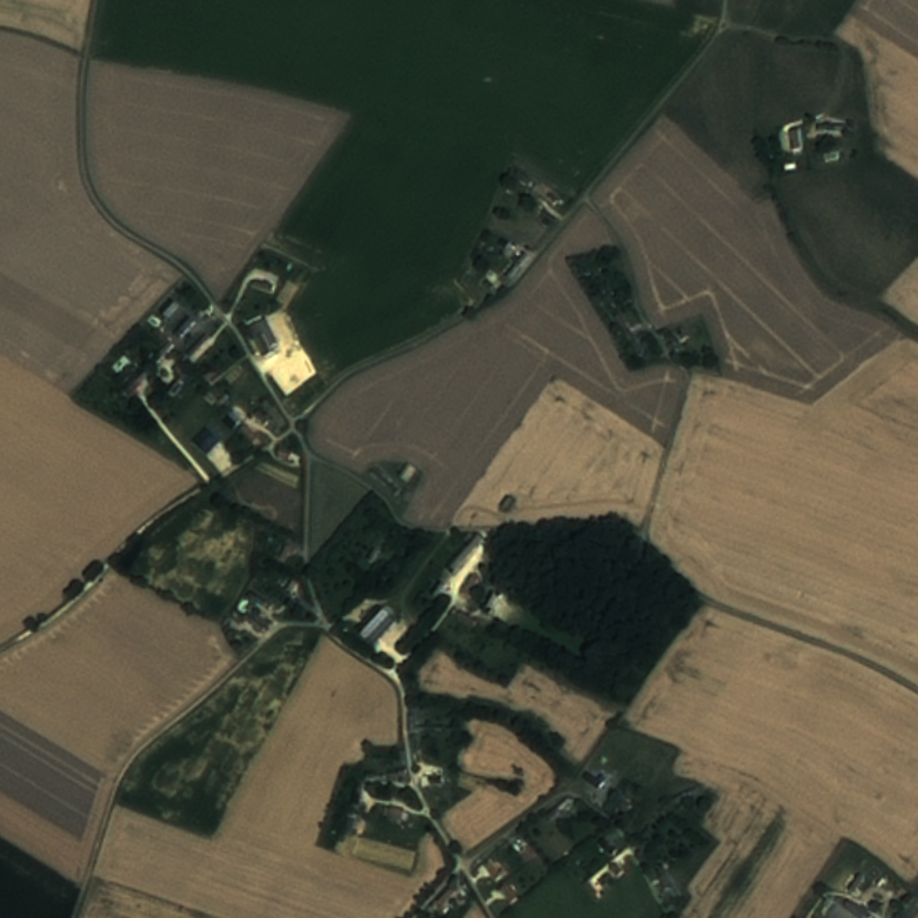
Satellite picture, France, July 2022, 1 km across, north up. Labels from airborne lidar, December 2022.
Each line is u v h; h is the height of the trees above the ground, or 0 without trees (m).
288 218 0
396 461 0
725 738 0
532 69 0
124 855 0
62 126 0
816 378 0
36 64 0
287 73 0
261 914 0
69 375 0
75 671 0
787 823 0
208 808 0
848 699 0
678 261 0
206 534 0
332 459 0
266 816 0
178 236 0
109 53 0
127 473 0
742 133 0
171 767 0
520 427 0
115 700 0
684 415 0
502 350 0
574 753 0
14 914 0
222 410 6
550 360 0
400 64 0
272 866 0
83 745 0
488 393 0
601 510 0
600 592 32
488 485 0
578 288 0
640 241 0
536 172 0
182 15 0
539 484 0
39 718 0
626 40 0
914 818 0
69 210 0
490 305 9
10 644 0
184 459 0
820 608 0
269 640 0
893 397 0
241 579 0
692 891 0
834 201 0
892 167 0
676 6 0
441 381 0
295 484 0
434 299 0
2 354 0
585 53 0
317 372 0
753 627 0
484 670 13
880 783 0
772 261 0
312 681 0
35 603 0
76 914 0
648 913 0
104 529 0
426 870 0
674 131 0
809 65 0
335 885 0
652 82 0
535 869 0
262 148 0
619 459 0
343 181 0
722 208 0
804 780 0
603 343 0
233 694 0
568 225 0
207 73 0
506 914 6
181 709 0
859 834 0
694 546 0
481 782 0
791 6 0
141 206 0
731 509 0
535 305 0
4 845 0
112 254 0
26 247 0
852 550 0
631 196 0
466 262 0
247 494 0
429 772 0
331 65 0
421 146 0
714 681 0
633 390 0
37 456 0
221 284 0
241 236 0
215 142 0
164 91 0
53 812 0
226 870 0
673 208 0
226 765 0
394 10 0
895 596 0
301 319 0
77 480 0
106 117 0
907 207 0
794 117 0
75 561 0
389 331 0
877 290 0
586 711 0
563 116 0
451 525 0
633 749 0
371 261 0
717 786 0
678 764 0
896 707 0
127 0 0
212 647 0
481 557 0
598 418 0
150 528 6
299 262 0
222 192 0
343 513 0
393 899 0
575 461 0
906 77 0
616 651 29
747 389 0
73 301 0
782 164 0
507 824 0
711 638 0
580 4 0
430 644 13
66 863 0
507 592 7
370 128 0
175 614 0
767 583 0
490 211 0
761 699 0
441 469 0
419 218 0
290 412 0
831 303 0
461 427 0
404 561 11
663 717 0
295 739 0
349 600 7
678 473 0
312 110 0
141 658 0
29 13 0
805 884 0
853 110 0
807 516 0
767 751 0
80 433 0
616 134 0
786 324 0
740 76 0
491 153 0
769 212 0
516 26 0
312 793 0
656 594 32
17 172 0
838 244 0
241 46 0
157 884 0
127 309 0
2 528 0
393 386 0
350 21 0
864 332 0
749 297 0
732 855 0
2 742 0
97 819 0
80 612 0
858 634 0
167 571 0
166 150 0
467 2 0
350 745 0
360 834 0
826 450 0
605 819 11
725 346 0
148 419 9
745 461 0
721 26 0
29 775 0
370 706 0
